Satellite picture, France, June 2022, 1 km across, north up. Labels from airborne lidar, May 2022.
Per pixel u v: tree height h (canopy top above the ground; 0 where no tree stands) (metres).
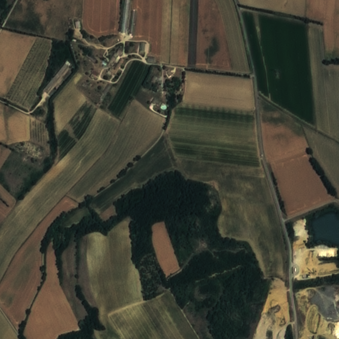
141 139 0
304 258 0
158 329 0
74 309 0
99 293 0
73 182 0
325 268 0
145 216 13
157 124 0
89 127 0
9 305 0
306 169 0
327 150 0
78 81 0
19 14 0
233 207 0
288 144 0
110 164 0
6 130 0
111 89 0
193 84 0
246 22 0
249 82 0
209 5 0
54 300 0
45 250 7
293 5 0
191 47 0
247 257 10
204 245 0
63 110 0
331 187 29
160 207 10
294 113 0
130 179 0
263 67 0
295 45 0
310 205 0
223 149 0
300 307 0
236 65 0
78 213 0
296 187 0
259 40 0
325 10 0
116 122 0
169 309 0
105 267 0
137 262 9
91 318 16
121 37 0
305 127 0
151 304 0
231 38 0
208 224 11
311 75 0
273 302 0
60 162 0
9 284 0
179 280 8
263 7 0
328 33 0
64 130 0
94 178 0
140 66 0
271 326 0
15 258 0
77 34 0
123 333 0
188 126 0
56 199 0
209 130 0
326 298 0
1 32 0
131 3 0
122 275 0
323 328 0
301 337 0
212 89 0
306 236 0
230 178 0
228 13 0
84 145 0
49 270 0
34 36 20
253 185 0
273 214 0
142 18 0
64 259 0
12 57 0
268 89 0
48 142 10
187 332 0
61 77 0
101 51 0
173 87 14
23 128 0
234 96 0
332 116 0
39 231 0
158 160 0
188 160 0
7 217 0
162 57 0
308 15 0
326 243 13
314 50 0
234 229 0
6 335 0
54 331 0
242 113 0
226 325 9
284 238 6
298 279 0
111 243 0
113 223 16
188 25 0
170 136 0
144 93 0
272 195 0
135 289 0
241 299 11
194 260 10
